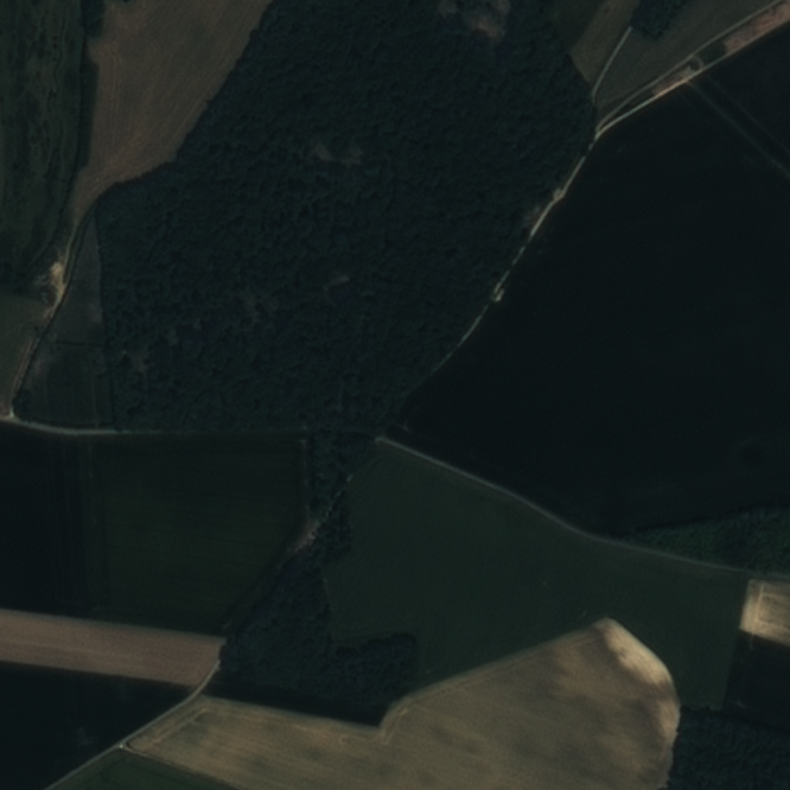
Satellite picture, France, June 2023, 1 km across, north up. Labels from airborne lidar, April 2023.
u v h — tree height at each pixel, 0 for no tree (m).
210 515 0
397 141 26
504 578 0
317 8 26
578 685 0
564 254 0
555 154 26
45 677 0
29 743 0
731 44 0
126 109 0
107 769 0
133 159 0
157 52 0
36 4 0
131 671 0
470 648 0
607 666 0
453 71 17
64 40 0
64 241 0
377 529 0
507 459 0
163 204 19
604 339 0
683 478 0
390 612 0
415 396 0
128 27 0
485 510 0
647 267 0
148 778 0
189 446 0
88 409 0
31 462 0
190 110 0
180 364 24
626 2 0
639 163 0
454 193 30
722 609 0
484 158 30
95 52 0
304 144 20
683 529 6
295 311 27
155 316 25
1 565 0
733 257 0
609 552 0
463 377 0
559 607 0
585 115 12
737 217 0
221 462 0
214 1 0
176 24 0
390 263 30
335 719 0
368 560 0
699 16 0
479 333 0
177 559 0
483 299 17
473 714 0
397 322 25
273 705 0
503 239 24
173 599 0
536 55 23
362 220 29
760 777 15
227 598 0
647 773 0
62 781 0
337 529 13
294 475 0
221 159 24
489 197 29
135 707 0
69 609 0
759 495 0
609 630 0
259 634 22
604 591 0
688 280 0
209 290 25
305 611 24
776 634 0
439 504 0
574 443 0
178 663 0
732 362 0
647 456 0
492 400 0
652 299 0
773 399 0
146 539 0
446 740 0
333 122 24
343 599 0
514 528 0
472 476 0
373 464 0
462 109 28
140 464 0
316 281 28
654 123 0
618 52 0
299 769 0
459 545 0
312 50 26
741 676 0
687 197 0
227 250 24
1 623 0
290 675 20
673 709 0
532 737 0
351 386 28
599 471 0
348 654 19
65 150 0
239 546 0
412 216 27
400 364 25
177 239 21
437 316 28
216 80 0
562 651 0
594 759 0
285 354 24
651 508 0
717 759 23
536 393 0
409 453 0
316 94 22
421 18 26
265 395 20
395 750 0
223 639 0
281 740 0
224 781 0
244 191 21
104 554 0
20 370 0
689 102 0
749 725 20
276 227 27
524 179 24
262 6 0
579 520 0
